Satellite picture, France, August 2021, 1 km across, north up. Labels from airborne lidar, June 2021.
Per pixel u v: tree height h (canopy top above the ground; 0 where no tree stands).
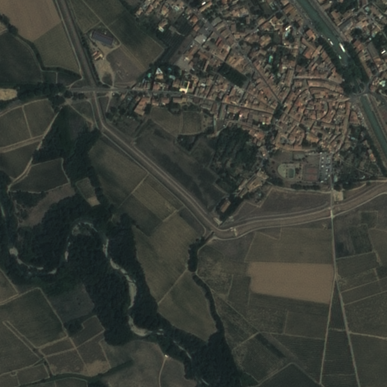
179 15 0
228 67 12
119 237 25
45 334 0
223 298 0
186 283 0
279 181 8
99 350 0
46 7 0
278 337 0
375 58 0
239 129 11
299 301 0
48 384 0
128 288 11
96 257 24
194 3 9
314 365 0
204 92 0
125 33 0
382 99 0
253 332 0
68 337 0
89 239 18
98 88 0
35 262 20
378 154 22
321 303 0
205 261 0
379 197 0
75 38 0
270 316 0
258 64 0
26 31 0
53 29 0
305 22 0
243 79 12
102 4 0
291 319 0
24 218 8
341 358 0
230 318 0
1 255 15
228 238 0
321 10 0
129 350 0
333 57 28
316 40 6
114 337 23
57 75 0
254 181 0
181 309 0
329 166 0
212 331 0
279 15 9
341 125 0
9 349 0
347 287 0
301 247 0
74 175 16
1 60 0
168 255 0
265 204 0
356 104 0
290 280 0
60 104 8
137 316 16
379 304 0
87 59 0
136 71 0
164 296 0
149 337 9
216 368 15
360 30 12
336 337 0
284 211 0
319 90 0
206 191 0
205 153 0
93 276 19
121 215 0
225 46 0
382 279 0
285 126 0
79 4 0
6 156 0
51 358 0
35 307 0
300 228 0
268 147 9
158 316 13
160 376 0
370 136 24
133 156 0
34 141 0
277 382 0
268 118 0
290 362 0
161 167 0
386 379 0
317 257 0
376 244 0
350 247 0
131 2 0
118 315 27
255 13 7
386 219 0
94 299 24
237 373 16
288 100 0
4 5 0
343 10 18
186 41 0
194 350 22
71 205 13
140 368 0
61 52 0
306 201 0
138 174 0
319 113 0
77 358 0
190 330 0
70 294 0
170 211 0
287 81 0
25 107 0
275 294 0
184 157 0
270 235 0
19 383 0
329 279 0
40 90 15
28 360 0
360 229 0
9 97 0
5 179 21
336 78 0
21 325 0
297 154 0
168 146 0
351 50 21
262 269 0
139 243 0
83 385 0
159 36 12
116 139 0
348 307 0
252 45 10
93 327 0
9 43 0
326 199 0
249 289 0
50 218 11
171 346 16
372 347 0
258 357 0
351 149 5
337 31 0
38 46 0
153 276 0
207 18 10
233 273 0
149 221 0
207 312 0
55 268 22
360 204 0
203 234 0
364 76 22
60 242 27
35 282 5
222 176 6
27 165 0
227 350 15
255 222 0
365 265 0
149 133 0
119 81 0
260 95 0
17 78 0
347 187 18
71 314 0
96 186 22
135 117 9
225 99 0
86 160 21
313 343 0
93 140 19
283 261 0
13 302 0
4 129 0
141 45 0
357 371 0
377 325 0
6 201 8
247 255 0
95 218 8
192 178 0
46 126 0
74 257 21
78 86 0
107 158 0
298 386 0
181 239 0
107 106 0
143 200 0
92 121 0
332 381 0
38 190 0
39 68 0
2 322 0
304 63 6
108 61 0
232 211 7
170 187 0
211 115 7
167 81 10
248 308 0
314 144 12
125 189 0
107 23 0
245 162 9
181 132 0
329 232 0
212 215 0
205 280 0
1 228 22
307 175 0
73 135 0
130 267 28
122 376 0
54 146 12
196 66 7
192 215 0
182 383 0
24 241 8
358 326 0
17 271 15
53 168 0
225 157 12
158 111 0
